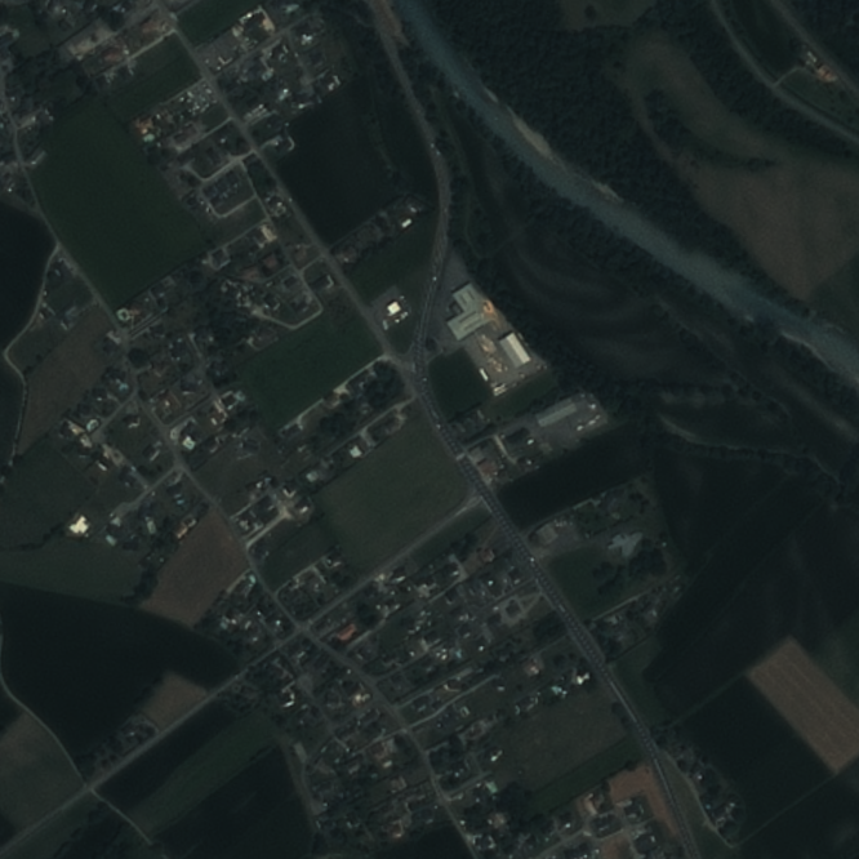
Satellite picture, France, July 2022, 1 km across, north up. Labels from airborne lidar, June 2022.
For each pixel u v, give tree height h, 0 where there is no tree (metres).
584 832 0
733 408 0
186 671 0
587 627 11
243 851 0
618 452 0
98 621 0
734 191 0
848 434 0
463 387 0
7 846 0
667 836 0
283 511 0
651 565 16
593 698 0
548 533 0
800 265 0
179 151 0
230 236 0
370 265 0
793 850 0
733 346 0
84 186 0
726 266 11
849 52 13
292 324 0
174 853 0
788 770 0
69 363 0
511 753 0
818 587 0
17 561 0
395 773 9
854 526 0
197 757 0
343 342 0
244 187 0
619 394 15
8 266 0
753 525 0
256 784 0
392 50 0
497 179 0
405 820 0
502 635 0
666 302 0
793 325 0
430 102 8
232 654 10
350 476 0
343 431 10
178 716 0
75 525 0
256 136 7
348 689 8
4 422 0
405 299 0
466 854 0
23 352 0
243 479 0
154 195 0
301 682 0
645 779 0
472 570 0
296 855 0
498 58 21
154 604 0
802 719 0
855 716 0
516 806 11
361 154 0
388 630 0
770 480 0
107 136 0
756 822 0
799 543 0
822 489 20
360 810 9
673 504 0
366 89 0
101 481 0
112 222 0
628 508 0
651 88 0
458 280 0
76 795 0
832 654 0
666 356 0
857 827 0
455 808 0
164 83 0
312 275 0
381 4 0
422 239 0
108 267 0
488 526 0
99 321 0
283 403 0
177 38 0
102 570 0
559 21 20
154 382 0
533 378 0
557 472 0
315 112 0
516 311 10
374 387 11
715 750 0
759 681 0
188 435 0
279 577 0
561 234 12
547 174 0
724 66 23
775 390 0
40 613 0
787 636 0
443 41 0
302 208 0
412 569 0
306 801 0
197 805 0
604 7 0
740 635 0
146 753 0
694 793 0
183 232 0
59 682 0
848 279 0
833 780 0
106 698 0
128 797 0
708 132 0
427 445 0
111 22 17
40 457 0
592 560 0
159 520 0
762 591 0
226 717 0
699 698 0
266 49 0
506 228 0
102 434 0
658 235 0
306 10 11
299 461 0
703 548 0
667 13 21
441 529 0
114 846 7
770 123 10
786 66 0
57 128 0
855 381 0
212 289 6
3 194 0
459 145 0
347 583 7
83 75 8
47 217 0
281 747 0
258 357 0
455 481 0
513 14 17
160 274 0
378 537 0
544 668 0
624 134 25
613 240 21
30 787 0
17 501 0
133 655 0
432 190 0
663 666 0
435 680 10
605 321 0
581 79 11
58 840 0
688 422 0
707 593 0
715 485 0
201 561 0
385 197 0
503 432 0
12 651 0
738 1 0
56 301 0
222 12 0
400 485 0
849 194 0
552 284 0
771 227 0
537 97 19
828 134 8
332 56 0
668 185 26
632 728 10
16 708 0
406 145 0
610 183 9
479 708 0
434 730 0
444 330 0
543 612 0
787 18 0
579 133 17
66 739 0
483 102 0
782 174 0
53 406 0
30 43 0
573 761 0
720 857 0
